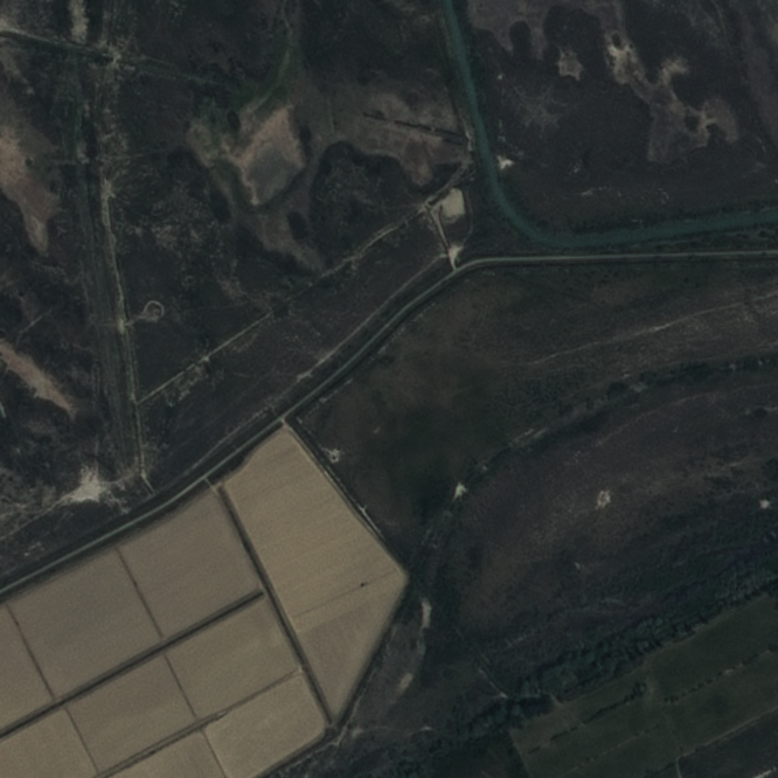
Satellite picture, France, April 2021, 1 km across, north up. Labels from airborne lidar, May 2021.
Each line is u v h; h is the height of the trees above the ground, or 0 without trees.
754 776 0
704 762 0
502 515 0
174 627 0
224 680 0
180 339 0
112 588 0
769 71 0
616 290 0
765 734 0
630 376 0
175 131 0
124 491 0
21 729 0
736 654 0
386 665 0
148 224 0
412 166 0
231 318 0
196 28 0
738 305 0
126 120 0
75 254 0
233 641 0
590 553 0
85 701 0
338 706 0
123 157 0
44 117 0
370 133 0
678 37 0
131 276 0
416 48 0
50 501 0
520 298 0
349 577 0
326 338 0
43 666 0
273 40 0
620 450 0
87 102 0
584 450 0
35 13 0
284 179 0
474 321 0
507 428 0
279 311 0
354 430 0
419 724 0
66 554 0
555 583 0
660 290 0
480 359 0
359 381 0
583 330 0
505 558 0
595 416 0
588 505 0
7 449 0
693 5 0
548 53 0
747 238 0
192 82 0
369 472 0
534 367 0
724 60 0
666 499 0
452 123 0
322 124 0
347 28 0
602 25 0
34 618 0
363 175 0
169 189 0
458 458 0
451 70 0
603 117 0
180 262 0
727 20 0
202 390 0
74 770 0
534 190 0
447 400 0
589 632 6
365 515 0
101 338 0
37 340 0
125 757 0
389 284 0
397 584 0
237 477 0
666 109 0
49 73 0
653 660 0
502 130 0
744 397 0
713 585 6
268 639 0
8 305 0
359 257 0
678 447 0
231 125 0
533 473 0
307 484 0
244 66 0
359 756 0
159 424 0
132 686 0
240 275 0
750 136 0
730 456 0
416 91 0
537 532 0
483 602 0
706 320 0
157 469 0
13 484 0
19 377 0
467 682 0
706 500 0
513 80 0
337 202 0
